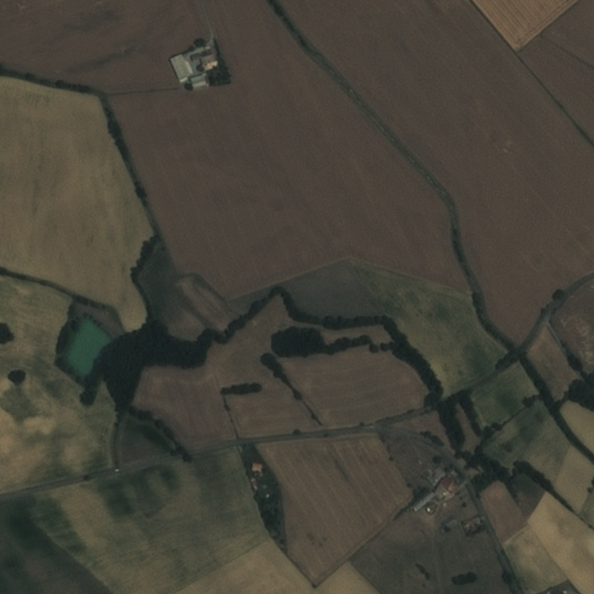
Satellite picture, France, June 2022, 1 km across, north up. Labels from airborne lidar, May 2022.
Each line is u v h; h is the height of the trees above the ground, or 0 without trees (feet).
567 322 0
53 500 0
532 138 0
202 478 0
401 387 0
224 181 0
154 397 0
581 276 0
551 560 0
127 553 0
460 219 0
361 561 0
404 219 0
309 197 0
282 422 0
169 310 0
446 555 0
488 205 0
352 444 0
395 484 0
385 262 0
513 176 0
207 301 0
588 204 0
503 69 0
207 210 0
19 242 0
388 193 0
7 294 0
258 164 0
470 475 0
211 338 47
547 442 0
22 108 0
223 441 0
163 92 0
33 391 0
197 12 0
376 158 0
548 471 0
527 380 0
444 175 0
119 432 0
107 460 0
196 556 0
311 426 0
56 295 0
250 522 0
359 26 0
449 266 0
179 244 0
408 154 0
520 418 0
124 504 0
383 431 0
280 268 0
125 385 47
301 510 0
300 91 0
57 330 0
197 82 0
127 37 0
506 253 0
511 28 0
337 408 0
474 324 0
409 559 0
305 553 0
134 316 0
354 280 0
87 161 0
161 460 0
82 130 0
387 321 67
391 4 0
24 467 0
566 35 0
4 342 43
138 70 0
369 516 0
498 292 0
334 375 0
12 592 0
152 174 0
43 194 0
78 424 0
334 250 0
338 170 0
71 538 0
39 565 0
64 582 0
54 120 0
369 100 0
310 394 0
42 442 0
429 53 0
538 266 0
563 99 0
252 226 0
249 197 0
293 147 0
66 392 0
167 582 0
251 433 0
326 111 0
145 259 41
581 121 0
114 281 0
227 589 0
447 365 0
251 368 0
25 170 0
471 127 0
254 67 0
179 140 0
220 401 0
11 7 0
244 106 0
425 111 0
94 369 39
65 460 0
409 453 0
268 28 0
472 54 0
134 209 0
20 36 0
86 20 0
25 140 0
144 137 0
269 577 0
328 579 0
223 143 0
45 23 0
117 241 0
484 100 0
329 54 0
